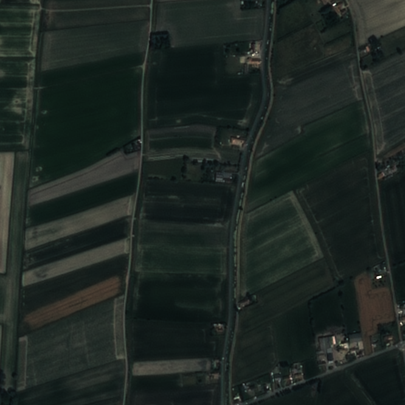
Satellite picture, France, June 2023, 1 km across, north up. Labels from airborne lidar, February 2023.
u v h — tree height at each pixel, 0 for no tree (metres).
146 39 0
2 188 0
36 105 0
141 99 0
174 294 0
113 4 0
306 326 0
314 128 0
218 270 0
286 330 0
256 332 0
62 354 0
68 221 0
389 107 0
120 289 0
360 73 0
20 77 0
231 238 0
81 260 0
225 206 0
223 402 0
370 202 0
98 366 0
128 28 0
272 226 0
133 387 0
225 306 0
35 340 0
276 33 0
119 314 0
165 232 0
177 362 0
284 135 0
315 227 0
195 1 0
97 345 0
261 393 12
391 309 0
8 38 0
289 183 0
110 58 0
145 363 0
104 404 0
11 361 0
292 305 0
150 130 0
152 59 0
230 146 0
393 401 0
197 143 0
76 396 0
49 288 0
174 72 0
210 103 0
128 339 0
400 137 0
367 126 0
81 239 0
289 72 0
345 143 0
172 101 0
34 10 0
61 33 0
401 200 0
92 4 0
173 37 0
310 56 0
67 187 0
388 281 0
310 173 0
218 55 0
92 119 0
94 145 0
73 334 0
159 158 0
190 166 0
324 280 0
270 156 0
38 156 0
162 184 0
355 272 0
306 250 0
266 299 0
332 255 0
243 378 0
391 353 0
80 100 0
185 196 0
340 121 0
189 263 0
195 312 0
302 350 0
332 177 0
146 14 0
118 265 0
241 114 0
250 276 0
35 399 0
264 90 0
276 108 0
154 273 0
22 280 0
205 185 0
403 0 0
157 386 0
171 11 0
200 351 0
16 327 0
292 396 0
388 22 0
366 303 0
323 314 0
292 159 0
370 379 0
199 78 0
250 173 0
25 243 0
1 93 0
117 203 0
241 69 0
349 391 0
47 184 0
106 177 0
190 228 0
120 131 0
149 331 0
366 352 0
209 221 0
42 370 0
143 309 0
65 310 0
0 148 0
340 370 0
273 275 0
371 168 0
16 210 0
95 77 0
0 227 0
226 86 0
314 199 0
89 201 0
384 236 0
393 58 0
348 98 0
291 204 0
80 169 0
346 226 0
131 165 0
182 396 0
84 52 0
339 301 0
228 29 0
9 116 0
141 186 0
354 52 0
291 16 0
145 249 0
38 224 0
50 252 0
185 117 0
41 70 0
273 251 0
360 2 0
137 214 0
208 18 0
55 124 0
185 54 0
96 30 0
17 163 0
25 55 0
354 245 0
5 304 0
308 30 0
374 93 0
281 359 0
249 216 0
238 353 0
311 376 0
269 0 0
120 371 0
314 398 0
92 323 0
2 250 0
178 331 0
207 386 0
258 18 0
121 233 0
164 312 0
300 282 0
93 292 0
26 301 0
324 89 0
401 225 0
